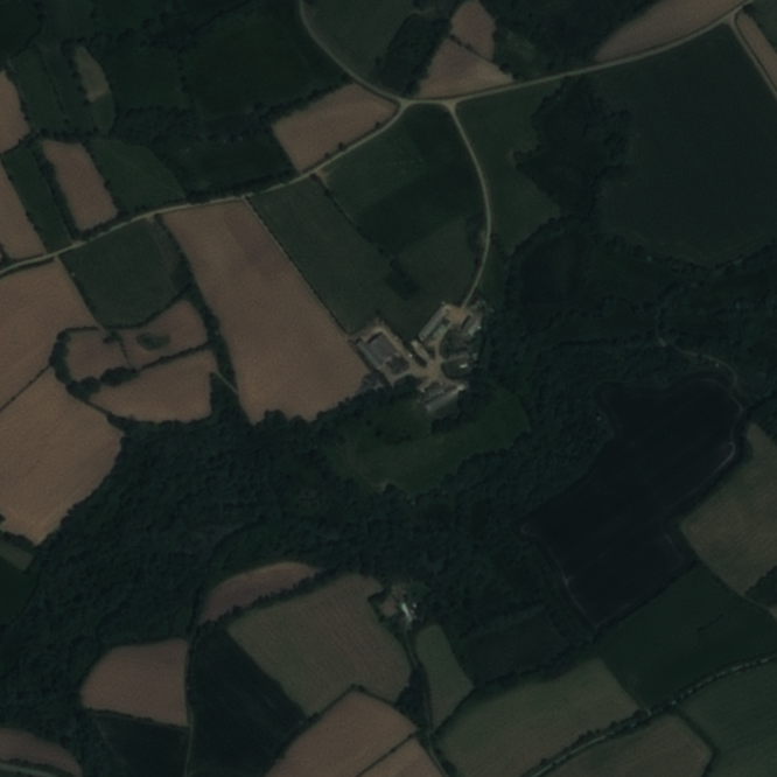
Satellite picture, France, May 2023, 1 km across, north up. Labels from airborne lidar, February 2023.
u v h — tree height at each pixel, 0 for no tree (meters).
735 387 0
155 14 0
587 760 0
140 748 0
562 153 0
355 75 0
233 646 0
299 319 0
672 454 0
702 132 0
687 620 0
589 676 0
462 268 0
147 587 19
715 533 0
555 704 0
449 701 0
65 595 8
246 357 0
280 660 0
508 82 0
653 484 0
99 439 0
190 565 17
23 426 0
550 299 0
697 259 0
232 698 0
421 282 0
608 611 0
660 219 0
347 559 14
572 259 0
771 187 0
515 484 13
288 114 14
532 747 0
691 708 0
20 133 0
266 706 0
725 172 0
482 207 0
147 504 18
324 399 0
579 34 0
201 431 12
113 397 0
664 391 0
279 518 14
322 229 0
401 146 0
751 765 0
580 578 0
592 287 0
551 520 0
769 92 0
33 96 0
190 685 10
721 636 0
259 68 0
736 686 0
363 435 0
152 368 7
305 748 0
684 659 0
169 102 0
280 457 16
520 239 0
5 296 0
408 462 0
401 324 0
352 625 0
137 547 8
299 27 0
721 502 0
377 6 0
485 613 0
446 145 0
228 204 0
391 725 0
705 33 0
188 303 0
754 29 0
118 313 0
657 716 8
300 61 0
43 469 0
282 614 0
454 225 0
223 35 0
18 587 0
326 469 16
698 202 0
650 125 0
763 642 0
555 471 18
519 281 13
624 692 0
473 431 0
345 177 0
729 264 9
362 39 0
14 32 0
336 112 0
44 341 0
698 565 7
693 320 0
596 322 0
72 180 0
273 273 0
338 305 0
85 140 13
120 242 0
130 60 0
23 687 14
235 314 0
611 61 0
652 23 0
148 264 0
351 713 0
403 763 0
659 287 0
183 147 0
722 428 0
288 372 0
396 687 0
